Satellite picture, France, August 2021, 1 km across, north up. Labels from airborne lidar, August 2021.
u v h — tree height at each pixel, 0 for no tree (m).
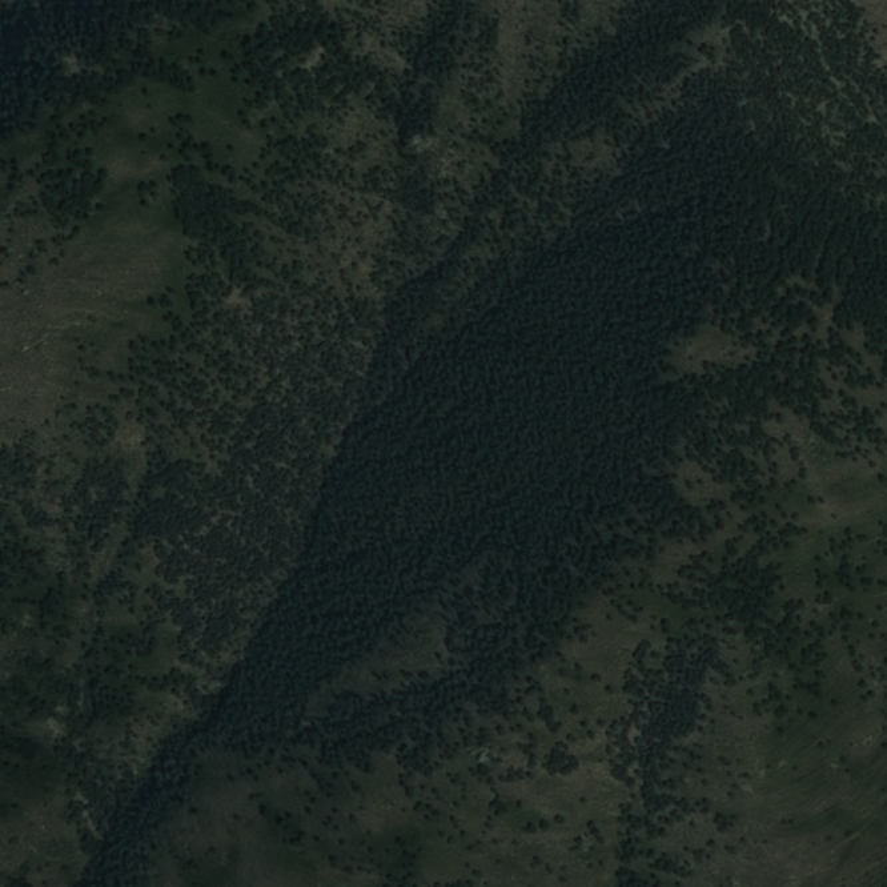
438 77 15
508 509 23
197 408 11
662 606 0
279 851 0
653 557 13
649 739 10
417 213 13
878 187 14
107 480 12
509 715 8
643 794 13
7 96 16
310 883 0
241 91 0
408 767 14
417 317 12
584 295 12
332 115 12
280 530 9
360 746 14
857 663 7
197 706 13
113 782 14
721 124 13
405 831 0
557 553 13
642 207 11
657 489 21
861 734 0
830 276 24
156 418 12
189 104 0
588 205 14
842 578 11
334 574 23
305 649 14
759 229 12
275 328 10
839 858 0
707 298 17
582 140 16
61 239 13
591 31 9
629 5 11
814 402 17
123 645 13
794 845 0
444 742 16
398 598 18
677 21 12
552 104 20
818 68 9
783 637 14
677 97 6
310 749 12
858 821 0
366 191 16
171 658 0
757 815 0
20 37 9
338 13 11
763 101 7
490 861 0
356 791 9
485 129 15
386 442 16
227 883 0
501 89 6
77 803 8
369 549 14
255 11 16
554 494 17
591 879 0
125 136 0
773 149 14
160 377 11
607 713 0
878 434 17
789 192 10
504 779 8
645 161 12
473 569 16
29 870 9
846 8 12
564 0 17
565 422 15
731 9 14
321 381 11
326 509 15
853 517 0
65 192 19
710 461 19
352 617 17
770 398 16
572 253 12
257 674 17
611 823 0
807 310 23
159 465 9
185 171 24
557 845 0
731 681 9
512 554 20
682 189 14
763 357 18
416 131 13
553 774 8
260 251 17
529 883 0
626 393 18
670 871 13
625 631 0
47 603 12
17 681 11
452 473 19
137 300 0
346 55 15
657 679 11
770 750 0
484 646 21
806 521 0
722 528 14
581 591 18
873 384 18
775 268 22
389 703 14
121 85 21
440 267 8
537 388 17
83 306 0
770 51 13
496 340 19
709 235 17
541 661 11
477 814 0
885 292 15
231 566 11
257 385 13
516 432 20
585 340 18
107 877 19
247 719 16
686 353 0
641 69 15
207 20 24
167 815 14
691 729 10
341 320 14
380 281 10
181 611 11
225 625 10
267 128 18
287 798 0
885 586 14
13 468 8
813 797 0
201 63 17
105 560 0
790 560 0
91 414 11
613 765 9
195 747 13
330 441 14
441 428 20
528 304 17
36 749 12
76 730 12
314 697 10
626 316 16
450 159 11
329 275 9
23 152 0
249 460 12
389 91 17
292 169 9
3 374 0
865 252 17
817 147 13
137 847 17
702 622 7
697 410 17
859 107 11
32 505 6
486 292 13
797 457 13
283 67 18
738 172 15
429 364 25
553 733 12
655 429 16
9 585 6
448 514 18
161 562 7
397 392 16
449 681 10
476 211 21
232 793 0
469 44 16
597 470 19
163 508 9
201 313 14
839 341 12
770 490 14
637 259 17
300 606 13
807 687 8
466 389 23
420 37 15
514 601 12
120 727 8
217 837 0
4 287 15
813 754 0
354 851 0
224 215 21
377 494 23
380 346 13
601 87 20
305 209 13
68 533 15
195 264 15
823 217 23
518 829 0
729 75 9
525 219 12
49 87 11
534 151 15
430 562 23
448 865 0
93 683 9
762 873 0
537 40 13
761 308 16
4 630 11
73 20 11
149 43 16
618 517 19
